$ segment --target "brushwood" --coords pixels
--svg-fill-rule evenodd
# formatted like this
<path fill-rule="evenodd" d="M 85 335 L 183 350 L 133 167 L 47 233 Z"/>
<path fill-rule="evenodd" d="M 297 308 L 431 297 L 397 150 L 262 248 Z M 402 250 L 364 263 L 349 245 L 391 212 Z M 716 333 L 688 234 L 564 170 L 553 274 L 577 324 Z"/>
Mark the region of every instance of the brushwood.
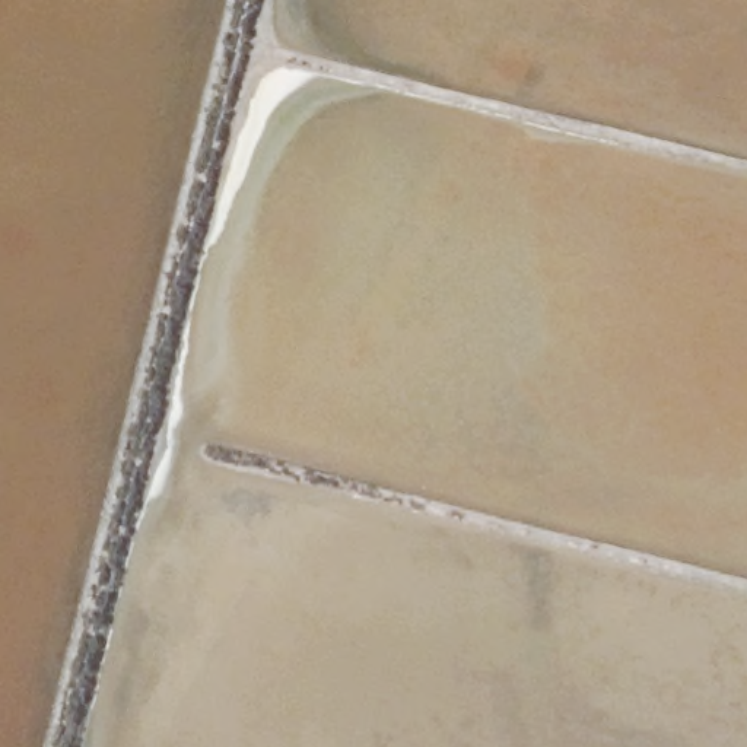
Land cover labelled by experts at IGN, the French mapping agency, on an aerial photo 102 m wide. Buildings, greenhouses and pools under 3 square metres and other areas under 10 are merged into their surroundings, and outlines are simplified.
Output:
<path fill-rule="evenodd" d="M 379 479 L 371 479 L 365 473 L 338 473 L 321 467 L 306 467 L 306 479 L 312 484 L 336 487 L 350 484 L 359 493 L 382 490 Z"/>
<path fill-rule="evenodd" d="M 114 622 L 117 595 L 125 578 L 125 554 L 134 540 L 134 519 L 146 496 L 155 467 L 155 441 L 169 411 L 169 385 L 184 327 L 204 242 L 216 210 L 225 158 L 231 149 L 236 102 L 251 64 L 257 20 L 266 0 L 236 0 L 233 23 L 225 41 L 225 70 L 216 88 L 198 158 L 198 172 L 207 172 L 207 181 L 198 181 L 190 196 L 187 216 L 196 225 L 181 228 L 178 242 L 184 245 L 184 251 L 169 274 L 169 315 L 160 315 L 158 324 L 158 341 L 140 403 L 140 417 L 128 438 L 123 487 L 105 543 L 108 557 L 102 560 L 99 581 L 93 587 L 93 636 L 82 636 L 82 648 L 70 680 L 70 703 L 64 706 L 55 747 L 82 747 L 82 729 L 93 700 L 108 627 Z"/>
<path fill-rule="evenodd" d="M 210 444 L 207 455 L 219 461 L 292 476 L 292 464 L 280 455 L 266 458 L 257 452 Z"/>

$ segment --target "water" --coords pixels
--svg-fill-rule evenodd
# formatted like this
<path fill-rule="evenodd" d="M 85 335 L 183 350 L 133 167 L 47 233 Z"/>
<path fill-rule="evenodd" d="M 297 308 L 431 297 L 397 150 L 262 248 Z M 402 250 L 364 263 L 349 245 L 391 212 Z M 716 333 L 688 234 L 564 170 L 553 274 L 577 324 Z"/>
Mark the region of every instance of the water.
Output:
<path fill-rule="evenodd" d="M 444 90 L 458 90 L 578 123 L 610 125 L 692 149 L 706 149 L 741 158 L 747 163 L 747 0 L 274 0 L 271 26 L 283 50 L 312 53 L 321 58 L 414 79 Z"/>
<path fill-rule="evenodd" d="M 125 578 L 117 595 L 114 622 L 108 627 L 93 700 L 82 729 L 82 747 L 747 747 L 747 587 L 738 592 L 700 581 L 686 581 L 665 572 L 648 572 L 639 566 L 613 566 L 607 560 L 589 560 L 584 554 L 563 549 L 531 546 L 514 537 L 496 537 L 479 528 L 458 531 L 441 525 L 435 516 L 417 519 L 406 514 L 368 508 L 362 502 L 344 499 L 336 487 L 312 484 L 306 479 L 306 467 L 321 467 L 338 473 L 365 473 L 371 479 L 379 479 L 382 490 L 426 496 L 441 505 L 458 505 L 476 514 L 581 537 L 589 543 L 619 546 L 712 569 L 721 575 L 738 575 L 747 581 L 747 166 L 741 172 L 727 172 L 715 166 L 677 163 L 671 158 L 587 140 L 534 140 L 522 125 L 481 117 L 464 108 L 449 108 L 333 79 L 309 79 L 289 96 L 283 96 L 277 108 L 268 114 L 266 128 L 254 146 L 248 172 L 233 196 L 225 231 L 216 245 L 204 242 L 184 327 L 190 330 L 190 356 L 184 374 L 184 417 L 178 423 L 175 458 L 163 493 L 158 499 L 146 496 L 134 519 L 134 540 L 125 554 Z M 207 455 L 210 444 L 257 452 L 266 458 L 280 455 L 292 464 L 292 476 L 219 461 Z"/>
<path fill-rule="evenodd" d="M 76 622 L 76 607 L 82 601 L 82 584 L 88 575 L 88 560 L 105 490 L 111 481 L 120 426 L 125 417 L 128 391 L 134 382 L 158 289 L 163 251 L 169 242 L 169 225 L 184 181 L 190 140 L 225 0 L 0 0 L 0 747 L 44 747 L 64 654 Z"/>

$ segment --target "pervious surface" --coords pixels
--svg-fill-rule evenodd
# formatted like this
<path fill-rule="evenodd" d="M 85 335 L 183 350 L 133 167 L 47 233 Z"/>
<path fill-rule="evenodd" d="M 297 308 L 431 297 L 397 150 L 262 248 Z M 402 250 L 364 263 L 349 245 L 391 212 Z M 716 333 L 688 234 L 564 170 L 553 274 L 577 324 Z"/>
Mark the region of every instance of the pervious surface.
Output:
<path fill-rule="evenodd" d="M 155 467 L 146 496 L 158 499 L 163 493 L 175 458 L 178 423 L 184 417 L 184 374 L 190 356 L 190 330 L 184 327 L 169 385 L 169 411 L 155 441 Z"/>
<path fill-rule="evenodd" d="M 613 566 L 639 566 L 648 572 L 665 572 L 686 581 L 700 581 L 738 592 L 747 587 L 747 581 L 738 575 L 721 575 L 712 569 L 619 546 L 589 543 L 581 537 L 476 514 L 458 505 L 441 505 L 426 496 L 382 490 L 359 493 L 350 484 L 336 487 L 344 499 L 362 502 L 368 508 L 406 514 L 417 519 L 435 516 L 441 525 L 458 531 L 479 528 L 496 537 L 514 537 L 531 546 L 563 549 L 584 554 L 589 560 L 607 560 Z"/>
<path fill-rule="evenodd" d="M 93 636 L 93 587 L 99 581 L 102 560 L 108 557 L 105 543 L 123 487 L 128 438 L 140 417 L 140 403 L 158 341 L 158 324 L 160 315 L 169 315 L 169 274 L 184 251 L 184 245 L 178 242 L 181 228 L 196 225 L 187 216 L 190 196 L 198 181 L 207 181 L 207 172 L 198 172 L 198 158 L 216 88 L 225 70 L 225 41 L 233 23 L 236 0 L 225 0 L 190 140 L 184 181 L 169 225 L 169 242 L 163 251 L 158 289 L 134 382 L 128 391 L 125 417 L 120 426 L 111 481 L 105 490 L 88 560 L 88 575 L 82 584 L 82 601 L 76 607 L 76 622 L 64 654 L 44 747 L 55 747 L 64 706 L 70 703 L 70 680 L 82 648 L 82 636 Z"/>
<path fill-rule="evenodd" d="M 727 172 L 741 172 L 747 166 L 747 163 L 741 158 L 706 149 L 692 149 L 610 125 L 578 123 L 458 90 L 444 90 L 414 79 L 321 58 L 312 53 L 283 50 L 271 26 L 274 0 L 266 0 L 257 20 L 251 64 L 236 102 L 231 149 L 225 158 L 216 210 L 204 242 L 216 245 L 225 231 L 233 196 L 248 172 L 254 146 L 266 128 L 268 114 L 277 108 L 283 96 L 289 96 L 309 79 L 333 79 L 449 108 L 464 108 L 481 117 L 522 125 L 534 140 L 587 140 L 671 158 L 677 163 L 715 166 Z"/>

